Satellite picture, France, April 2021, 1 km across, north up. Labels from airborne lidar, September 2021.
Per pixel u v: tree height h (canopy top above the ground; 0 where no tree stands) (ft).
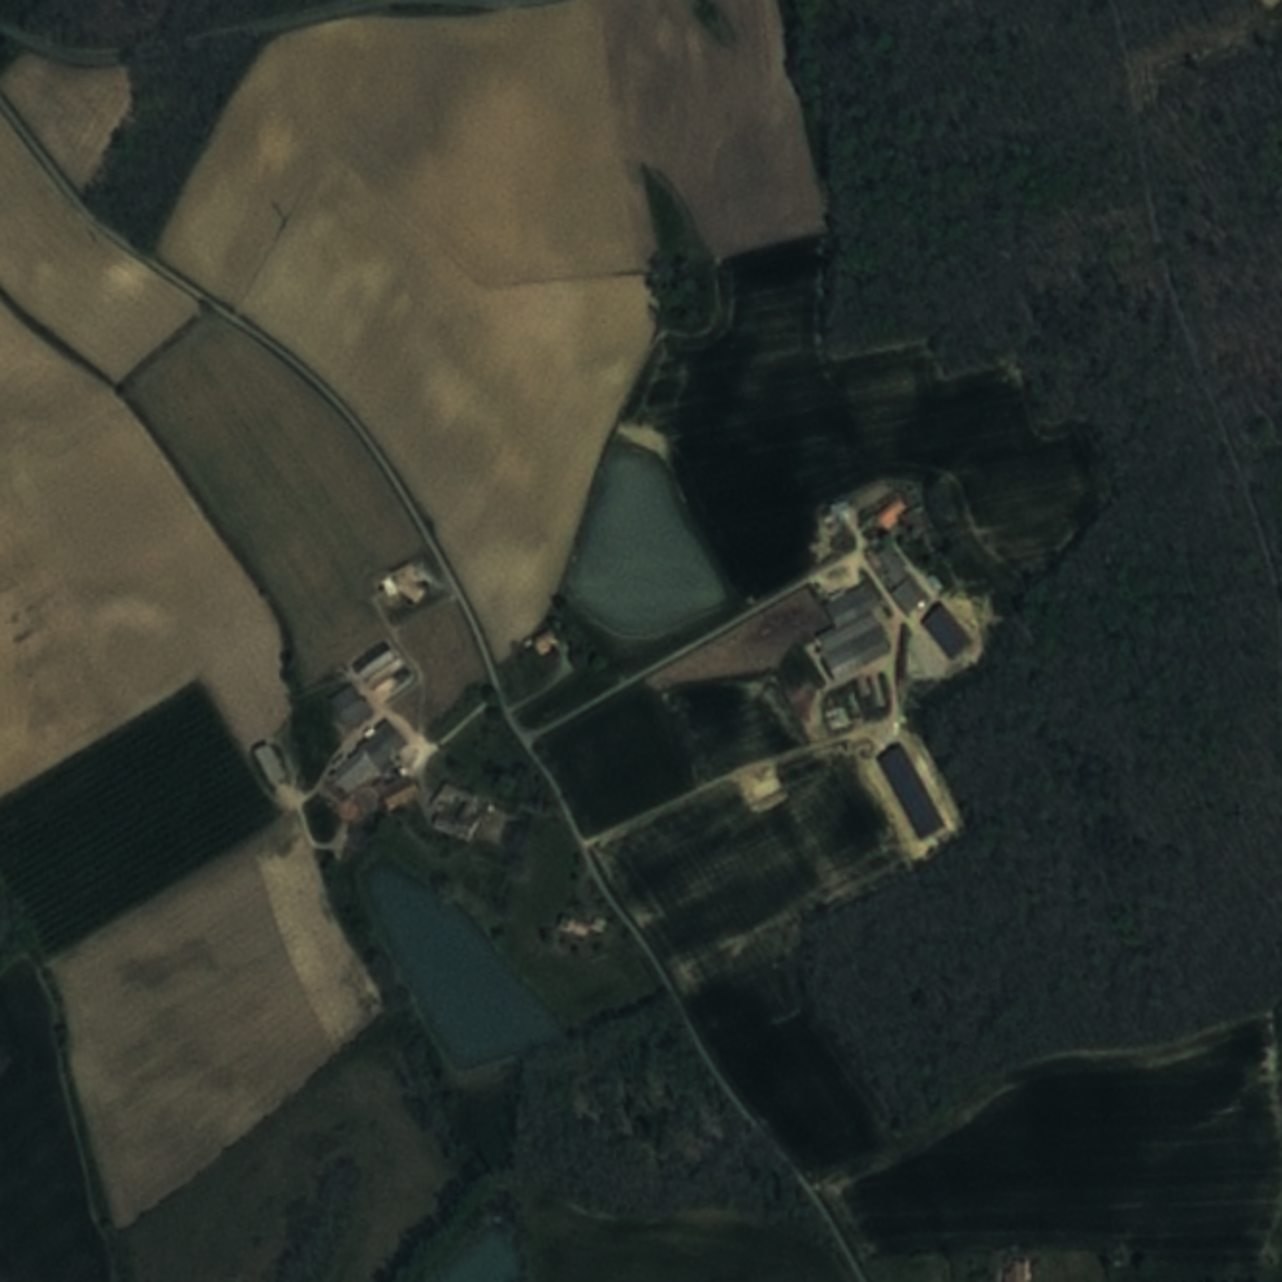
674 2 0
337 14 0
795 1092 0
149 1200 0
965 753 51
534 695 0
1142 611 58
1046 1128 0
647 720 0
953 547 40
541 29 0
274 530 0
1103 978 31
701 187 0
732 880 0
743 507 0
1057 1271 0
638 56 0
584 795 0
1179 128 58
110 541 0
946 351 48
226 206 0
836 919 60
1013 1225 0
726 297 0
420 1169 0
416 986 0
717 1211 55
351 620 0
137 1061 0
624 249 0
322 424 0
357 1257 0
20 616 0
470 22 0
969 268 61
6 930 58
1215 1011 52
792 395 0
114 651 0
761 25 0
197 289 0
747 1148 46
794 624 0
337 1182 62
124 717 0
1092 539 61
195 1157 0
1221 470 53
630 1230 0
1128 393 43
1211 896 68
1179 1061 0
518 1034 0
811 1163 0
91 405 0
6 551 0
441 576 0
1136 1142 0
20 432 0
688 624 0
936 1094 59
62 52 0
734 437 0
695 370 0
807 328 0
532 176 0
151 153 57
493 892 0
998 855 53
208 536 0
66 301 0
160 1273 0
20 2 25
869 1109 0
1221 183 59
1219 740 64
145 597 0
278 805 0
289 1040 0
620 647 0
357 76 0
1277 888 57
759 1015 0
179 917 0
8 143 0
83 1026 0
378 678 0
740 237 0
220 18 51
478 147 0
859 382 0
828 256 0
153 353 0
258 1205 0
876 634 0
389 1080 0
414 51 0
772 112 0
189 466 0
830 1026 49
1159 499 65
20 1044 0
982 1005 40
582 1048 48
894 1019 39
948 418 0
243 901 0
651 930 0
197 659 0
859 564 0
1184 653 59
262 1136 0
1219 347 53
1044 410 43
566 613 64
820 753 0
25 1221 0
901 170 67
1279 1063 0
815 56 77
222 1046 0
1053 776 48
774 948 0
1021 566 0
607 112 0
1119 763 49
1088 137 60
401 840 0
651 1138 64
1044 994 56
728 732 0
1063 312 73
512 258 0
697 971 0
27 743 0
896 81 83
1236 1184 0
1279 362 28
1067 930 47
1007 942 66
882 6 73
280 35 0
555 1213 0
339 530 0
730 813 0
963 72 56
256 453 0
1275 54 68
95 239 0
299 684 57
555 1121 46
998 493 0
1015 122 63
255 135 0
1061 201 59
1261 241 56
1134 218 43
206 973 0
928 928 52
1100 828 45
